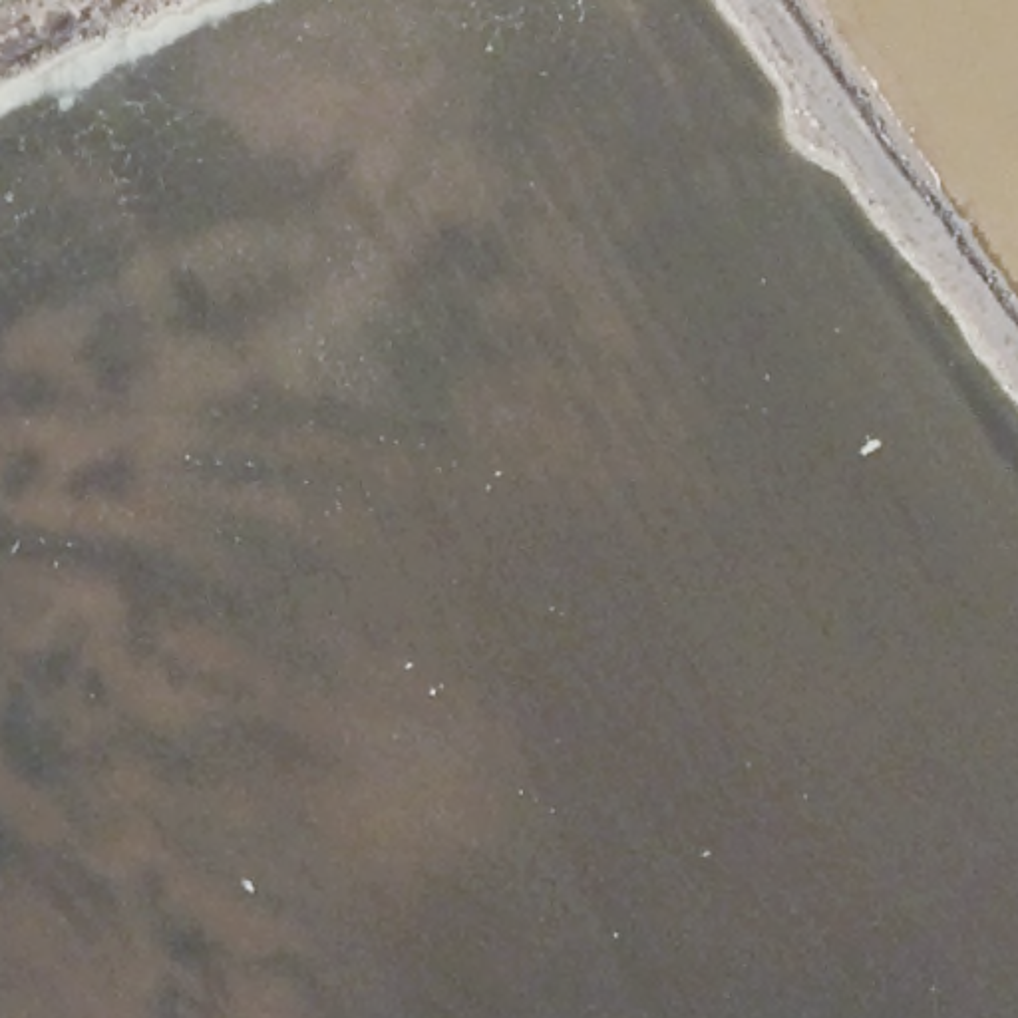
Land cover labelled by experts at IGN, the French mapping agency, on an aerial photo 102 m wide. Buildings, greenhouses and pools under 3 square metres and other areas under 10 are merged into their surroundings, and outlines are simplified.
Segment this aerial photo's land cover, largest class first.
<instances>
[{"label":"water","instance_id":"1","mask_svg":"<svg viewBox=\"0 0 1018 1018\"><path fill-rule=\"evenodd\" d=\"M0 1018H1018V410L998 390L990 370L970 354L966 338L958 334L946 306L931 294V286L867 223L851 191L839 183V175L791 151V143L783 139L779 95L771 80L748 56L740 36L724 24L712 0H270L227 20L199 24L167 48L139 56L135 64L111 68L91 87H84L72 107H60L52 95H40L0 115ZM859 24V40L851 44V52L879 76L883 95L903 115L919 151L938 167L942 183L934 187L942 203L954 199L962 211L978 219L990 247L1018 278V0H847Z\"/></svg>","mask_w":1018,"mask_h":1018},{"label":"pervious surface","instance_id":"2","mask_svg":"<svg viewBox=\"0 0 1018 1018\"><path fill-rule=\"evenodd\" d=\"M270 0H0V44L20 40V16H28L32 28H44L52 16H72L68 48L0 80V115L40 95H52L60 107H72L84 87H91L111 68L135 64L139 56L167 48L199 24L227 20ZM724 24L740 36L748 56L771 80L779 95L783 139L791 143V151L839 175V183L851 191L867 223L931 286V294L946 306L958 334L966 338L970 354L990 370L998 390L1018 410V330L998 310L990 290L978 282V274L962 262L958 247L946 239L931 207L899 179L887 155L875 147L867 123L835 87V80L807 48L803 32L779 0H712ZM835 48V56L843 60L847 76L859 87H867L875 111L887 119L895 147L934 187L942 183L938 167L919 151L903 115L883 95L879 76L851 52V44L859 40V24L847 0H799Z\"/></svg>","mask_w":1018,"mask_h":1018},{"label":"brushwood","instance_id":"3","mask_svg":"<svg viewBox=\"0 0 1018 1018\"><path fill-rule=\"evenodd\" d=\"M803 32L807 48L835 80V87L867 123L875 147L887 155L899 179L931 207L946 239L958 247L962 262L978 274V282L990 290L998 310L1018 330V278L990 247L978 219L962 211L954 199L942 203L934 187L895 147L887 119L875 111L867 87H859L847 76L843 60L835 56V48L799 0H779ZM72 16H52L44 28H32L28 16H20V40L0 44V80L68 48Z\"/></svg>","mask_w":1018,"mask_h":1018}]
</instances>
